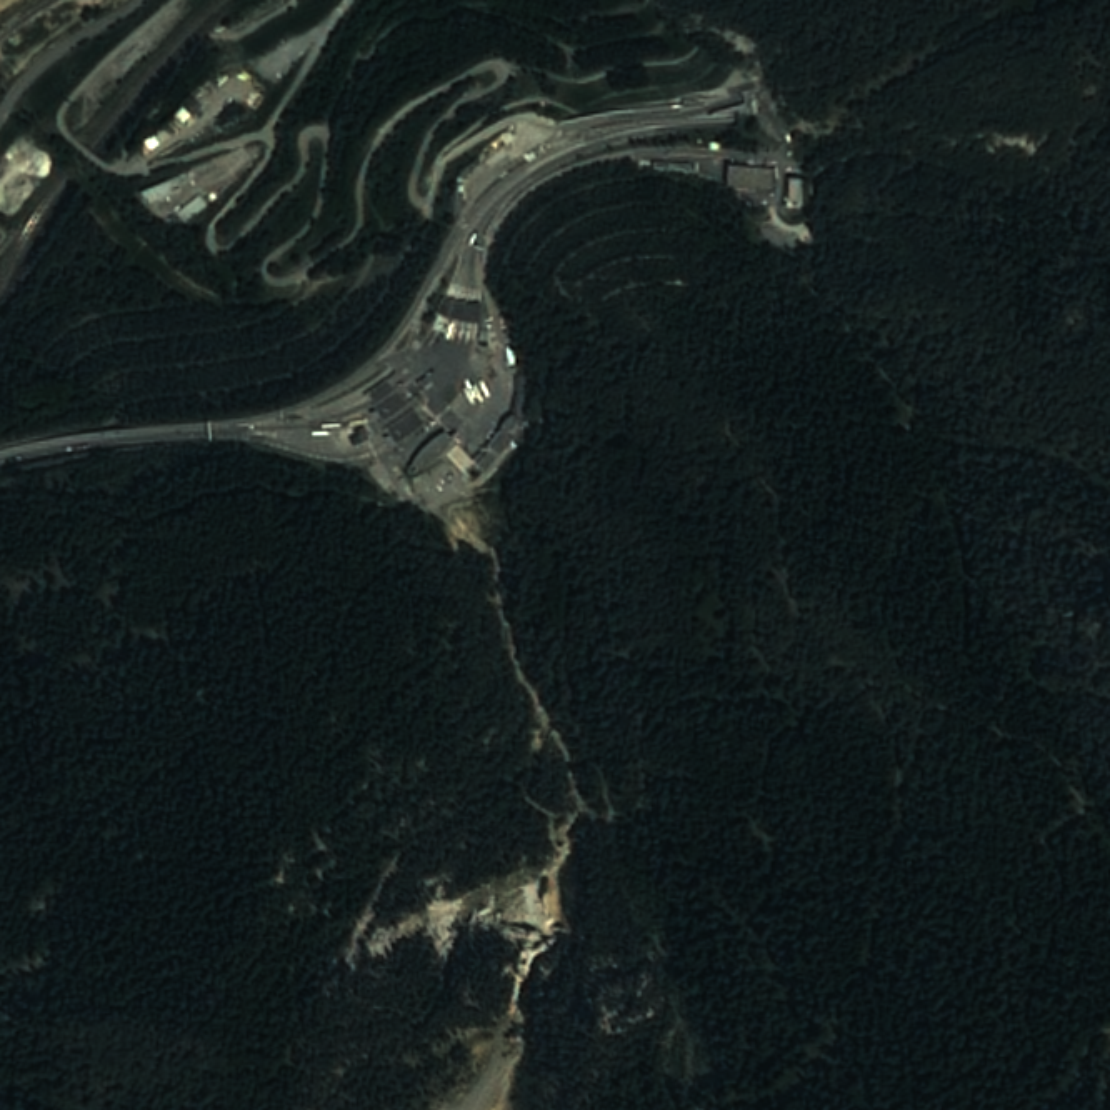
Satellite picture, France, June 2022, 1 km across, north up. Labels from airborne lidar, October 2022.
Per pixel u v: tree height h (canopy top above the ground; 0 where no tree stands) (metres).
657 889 11
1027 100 11
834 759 21
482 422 0
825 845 23
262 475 22
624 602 14
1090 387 15
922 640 18
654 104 0
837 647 16
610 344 14
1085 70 9
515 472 6
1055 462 8
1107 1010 20
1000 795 27
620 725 17
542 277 9
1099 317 9
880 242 10
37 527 23
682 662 27
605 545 16
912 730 16
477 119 9
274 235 11
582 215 9
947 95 11
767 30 7
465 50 16
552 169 0
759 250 12
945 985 23
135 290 17
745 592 18
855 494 26
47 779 20
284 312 9
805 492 23
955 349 18
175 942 22
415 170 0
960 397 17
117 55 0
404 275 12
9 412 12
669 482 18
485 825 12
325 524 27
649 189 12
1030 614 12
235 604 26
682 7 7
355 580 20
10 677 34
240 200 8
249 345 14
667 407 16
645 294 9
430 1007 25
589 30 15
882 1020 21
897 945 15
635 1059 15
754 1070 15
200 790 20
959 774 12
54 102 0
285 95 0
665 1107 19
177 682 21
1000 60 9
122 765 19
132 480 6
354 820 27
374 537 20
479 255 0
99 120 0
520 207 7
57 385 17
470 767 22
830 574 25
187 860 22
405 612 23
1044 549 15
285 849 12
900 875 20
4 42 0
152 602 20
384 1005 8
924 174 15
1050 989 11
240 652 23
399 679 30
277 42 0
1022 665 15
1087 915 30
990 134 6
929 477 17
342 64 7
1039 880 22
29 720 18
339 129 11
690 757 17
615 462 14
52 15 0
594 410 18
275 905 14
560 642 16
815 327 26
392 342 0
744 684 19
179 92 0
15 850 19
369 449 0
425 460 0
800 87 12
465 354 0
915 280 9
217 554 24
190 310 13
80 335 7
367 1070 22
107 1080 12
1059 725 11
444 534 9
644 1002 9
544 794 18
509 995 18
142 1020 14
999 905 25
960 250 11
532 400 13
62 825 17
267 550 20
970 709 23
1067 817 29
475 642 20
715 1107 25
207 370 10
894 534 16
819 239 19
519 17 19
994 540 18
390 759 18
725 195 14
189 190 0
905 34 14
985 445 13
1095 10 19
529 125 0
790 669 23
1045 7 13
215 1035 16
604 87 0
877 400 27
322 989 15
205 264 11
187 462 14
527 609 19
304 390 12
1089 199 14
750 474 13
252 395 13
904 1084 18
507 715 14
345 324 10
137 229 15
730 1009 16
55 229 11
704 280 12
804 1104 14
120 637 17
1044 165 9
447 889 8
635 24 13
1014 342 16
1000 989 27
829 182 11
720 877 30
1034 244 29
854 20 16
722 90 0
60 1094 14
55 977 19
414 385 0
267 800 22
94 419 8
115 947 21
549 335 17
